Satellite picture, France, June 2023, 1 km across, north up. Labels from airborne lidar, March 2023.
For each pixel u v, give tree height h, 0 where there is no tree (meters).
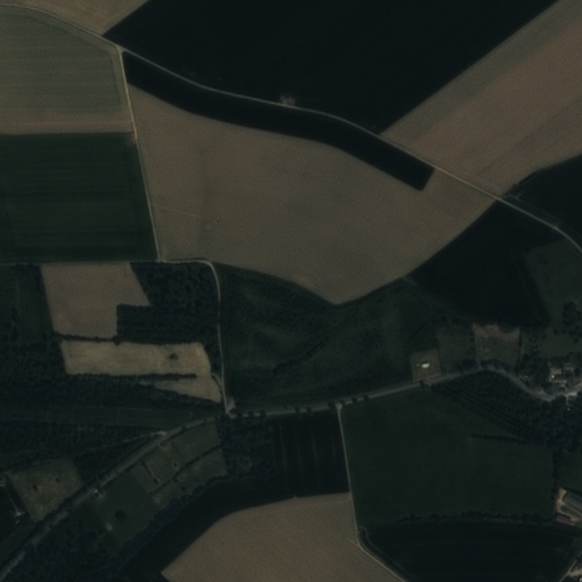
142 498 0
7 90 0
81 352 0
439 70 0
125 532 0
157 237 0
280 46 0
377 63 0
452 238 0
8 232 0
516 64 0
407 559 0
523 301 0
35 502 0
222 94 0
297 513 0
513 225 0
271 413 0
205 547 0
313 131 0
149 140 0
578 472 0
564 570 0
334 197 0
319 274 0
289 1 0
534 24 0
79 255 0
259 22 0
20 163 0
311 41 0
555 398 0
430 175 0
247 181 0
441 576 0
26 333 0
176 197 0
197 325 19
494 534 0
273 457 7
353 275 0
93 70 0
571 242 0
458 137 0
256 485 0
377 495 0
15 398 20
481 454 0
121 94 0
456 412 0
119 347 0
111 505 0
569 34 0
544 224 0
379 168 0
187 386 0
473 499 0
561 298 0
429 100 0
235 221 0
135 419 0
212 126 0
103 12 0
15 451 15
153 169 0
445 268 0
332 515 0
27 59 0
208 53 0
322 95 0
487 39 0
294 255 0
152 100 0
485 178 0
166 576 0
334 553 0
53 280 0
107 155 0
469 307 0
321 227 0
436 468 0
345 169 0
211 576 0
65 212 0
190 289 15
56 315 0
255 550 0
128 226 0
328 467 0
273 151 0
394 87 0
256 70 0
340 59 0
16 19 0
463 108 0
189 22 0
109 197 0
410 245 0
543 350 0
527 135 0
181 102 0
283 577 0
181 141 0
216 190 0
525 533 0
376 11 0
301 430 0
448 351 0
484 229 0
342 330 0
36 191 0
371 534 0
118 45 0
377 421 0
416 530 0
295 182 0
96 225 0
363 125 0
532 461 0
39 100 0
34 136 0
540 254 0
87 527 0
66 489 0
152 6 0
